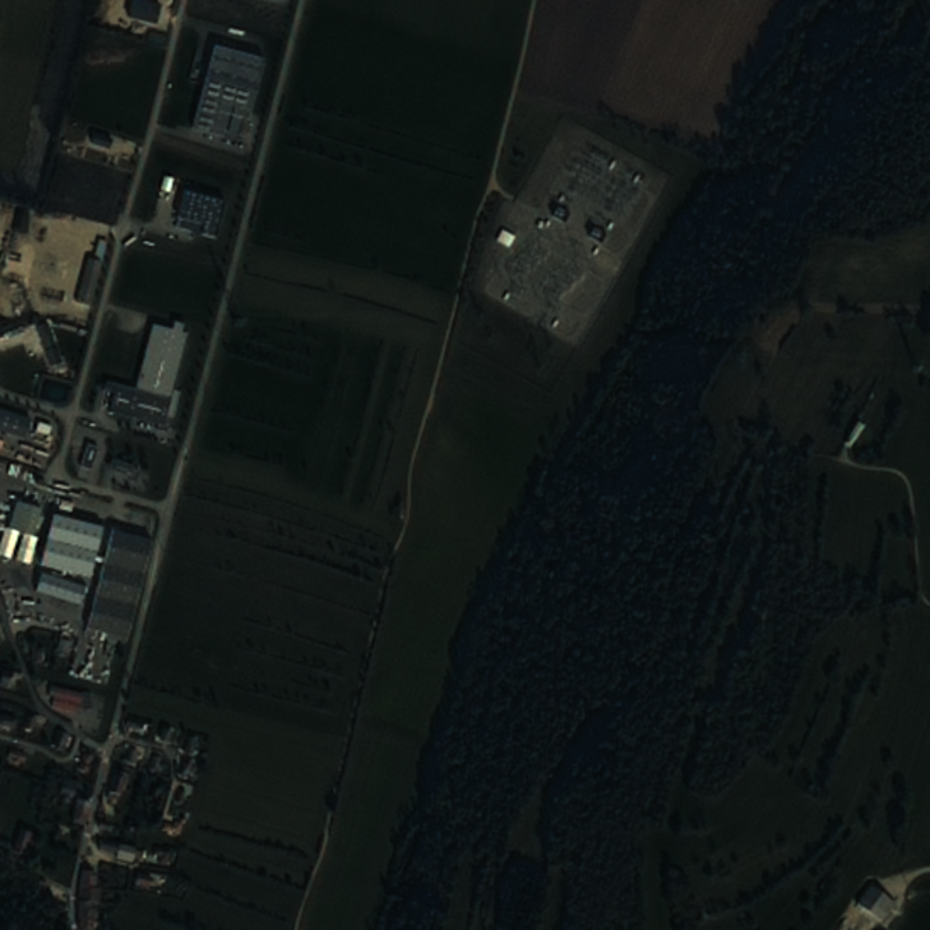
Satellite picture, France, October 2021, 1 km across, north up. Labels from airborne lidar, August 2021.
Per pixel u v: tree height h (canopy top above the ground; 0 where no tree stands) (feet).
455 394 0
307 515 0
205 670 0
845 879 0
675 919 41
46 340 0
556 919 0
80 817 0
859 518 0
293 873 0
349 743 22
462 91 0
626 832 50
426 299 0
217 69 0
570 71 0
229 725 0
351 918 0
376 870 0
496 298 0
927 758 0
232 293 0
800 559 45
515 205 0
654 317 23
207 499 25
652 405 30
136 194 0
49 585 0
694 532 56
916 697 0
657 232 0
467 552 0
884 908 0
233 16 0
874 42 72
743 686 53
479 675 54
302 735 0
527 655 70
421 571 0
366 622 0
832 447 0
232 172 0
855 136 48
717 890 0
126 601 0
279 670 0
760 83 62
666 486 70
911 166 44
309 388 0
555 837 48
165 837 0
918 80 44
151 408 0
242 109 0
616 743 76
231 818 0
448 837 59
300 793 0
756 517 44
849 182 52
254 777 0
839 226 45
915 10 0
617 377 26
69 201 0
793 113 20
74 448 0
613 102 0
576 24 0
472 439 0
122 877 25
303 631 0
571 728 64
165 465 0
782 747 0
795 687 50
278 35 0
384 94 0
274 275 0
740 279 41
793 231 40
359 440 0
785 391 0
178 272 0
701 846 0
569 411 0
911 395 0
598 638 62
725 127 52
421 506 0
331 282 0
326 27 0
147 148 0
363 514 0
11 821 0
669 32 0
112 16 0
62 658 0
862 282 0
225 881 0
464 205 0
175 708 0
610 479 23
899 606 47
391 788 0
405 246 0
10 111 0
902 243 0
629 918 61
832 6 52
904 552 0
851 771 0
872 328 0
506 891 50
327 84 0
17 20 0
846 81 59
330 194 0
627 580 61
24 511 0
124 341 0
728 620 52
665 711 54
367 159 0
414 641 0
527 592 74
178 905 0
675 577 55
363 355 0
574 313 0
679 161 0
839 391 28
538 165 0
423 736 0
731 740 27
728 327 59
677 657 57
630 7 0
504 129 0
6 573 0
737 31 0
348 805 0
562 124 0
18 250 0
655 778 50
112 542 0
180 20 0
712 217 39
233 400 0
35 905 49
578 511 25
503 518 0
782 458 41
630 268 0
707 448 56
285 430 28
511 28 0
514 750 59
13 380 0
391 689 0
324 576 0
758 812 0
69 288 0
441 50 0
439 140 0
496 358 0
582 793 55
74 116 0
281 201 0
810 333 0
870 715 0
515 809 57
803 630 35
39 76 0
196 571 0
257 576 0
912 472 0
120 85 0
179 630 0
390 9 0
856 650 0
